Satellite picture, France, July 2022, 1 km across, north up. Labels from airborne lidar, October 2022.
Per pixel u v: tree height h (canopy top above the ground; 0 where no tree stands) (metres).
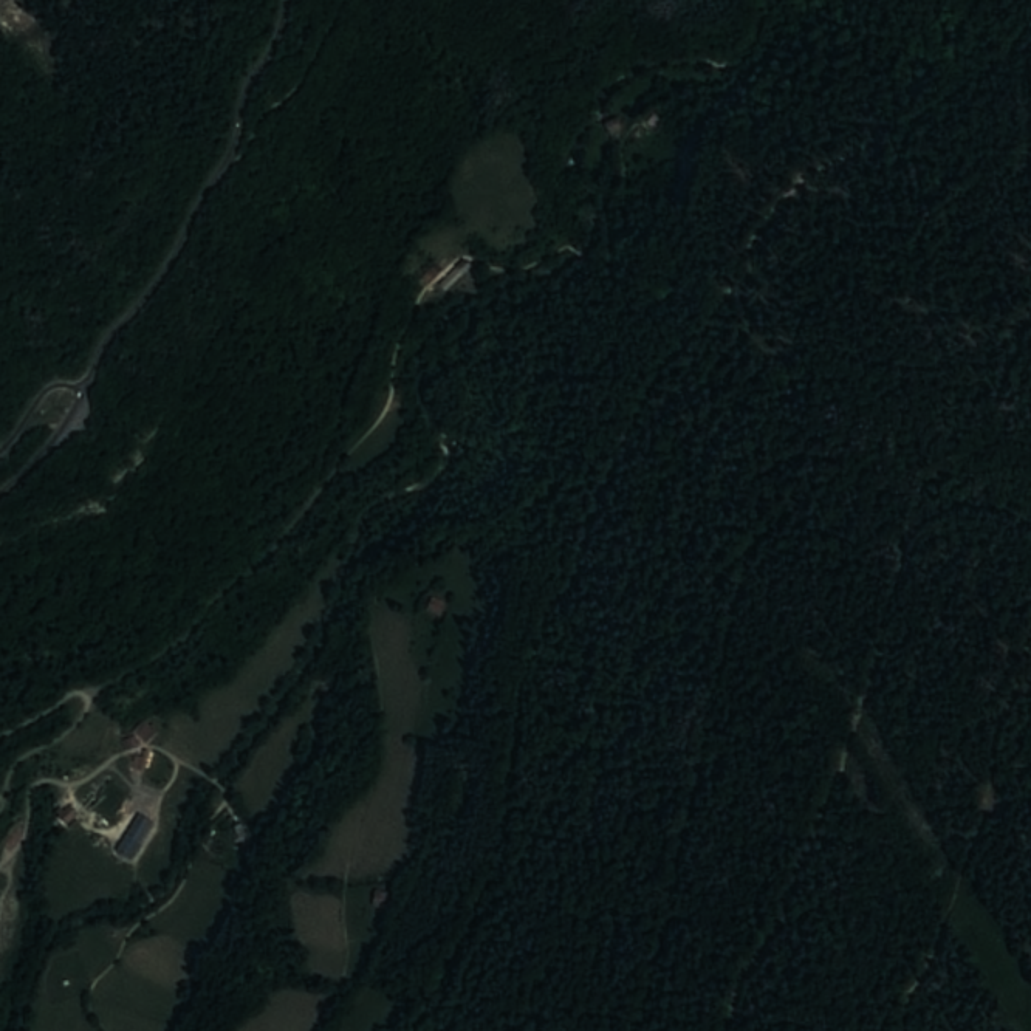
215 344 26
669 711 31
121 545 21
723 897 26
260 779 0
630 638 35
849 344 23
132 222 8
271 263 36
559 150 29
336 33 18
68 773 6
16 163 10
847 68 29
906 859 20
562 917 29
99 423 11
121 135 6
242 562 14
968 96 22
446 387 21
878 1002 19
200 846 7
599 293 27
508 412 21
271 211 33
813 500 29
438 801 25
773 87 27
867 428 36
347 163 25
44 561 21
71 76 18
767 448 33
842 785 18
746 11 28
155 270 11
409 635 0
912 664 22
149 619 8
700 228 23
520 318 29
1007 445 18
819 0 28
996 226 19
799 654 24
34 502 20
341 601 24
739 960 25
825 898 24
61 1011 0
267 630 7
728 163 19
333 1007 17
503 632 28
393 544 16
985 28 21
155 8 18
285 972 25
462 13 35
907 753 13
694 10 22
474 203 0
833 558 26
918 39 30
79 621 10
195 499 17
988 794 0
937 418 17
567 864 23
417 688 0
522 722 22
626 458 12
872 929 22
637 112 6
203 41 14
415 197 23
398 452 8
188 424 28
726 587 24
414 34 27
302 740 9
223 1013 26
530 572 31
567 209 23
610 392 30
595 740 28
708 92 10
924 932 21
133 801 0
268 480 18
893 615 18
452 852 26
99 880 0
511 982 29
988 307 6
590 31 16
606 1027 30
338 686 17
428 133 19
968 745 16
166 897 6
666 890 18
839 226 14
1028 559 18
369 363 26
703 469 15
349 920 0
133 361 10
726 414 25
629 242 28
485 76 15
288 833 30
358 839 0
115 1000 0
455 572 0
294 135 21
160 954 0
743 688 24
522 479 26
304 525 10
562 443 17
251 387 26
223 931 20
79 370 8
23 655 20
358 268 23
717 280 7
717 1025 21
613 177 17
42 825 14
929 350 18
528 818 27
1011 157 25
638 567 19
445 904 19
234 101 11
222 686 14
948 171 14
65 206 14
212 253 14
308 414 16
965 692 17
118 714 9
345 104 17
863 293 26
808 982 27
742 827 30
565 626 14
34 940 16
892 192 14
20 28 0
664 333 20
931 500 32
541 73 9
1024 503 22
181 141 16
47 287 11
